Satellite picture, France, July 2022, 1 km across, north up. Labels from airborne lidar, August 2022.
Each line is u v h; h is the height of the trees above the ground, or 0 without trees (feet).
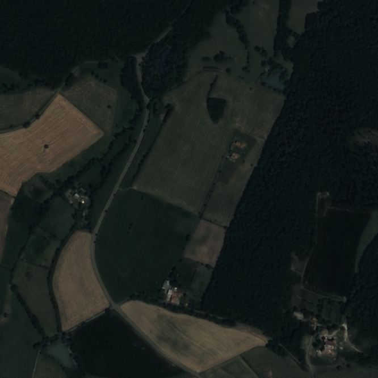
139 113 63
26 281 0
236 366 0
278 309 44
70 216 0
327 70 45
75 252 0
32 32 67
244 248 77
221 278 65
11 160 0
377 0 68
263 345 0
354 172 95
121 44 49
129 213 0
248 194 62
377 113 61
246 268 64
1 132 0
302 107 75
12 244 0
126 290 0
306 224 61
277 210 73
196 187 0
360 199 22
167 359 0
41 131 0
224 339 0
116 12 64
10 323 0
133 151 0
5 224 0
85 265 0
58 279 0
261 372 0
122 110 0
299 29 0
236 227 59
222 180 0
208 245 0
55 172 0
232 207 0
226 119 0
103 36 68
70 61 63
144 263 0
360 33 84
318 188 54
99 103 0
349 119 85
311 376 0
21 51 73
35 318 53
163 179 0
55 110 0
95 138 0
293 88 59
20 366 0
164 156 0
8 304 0
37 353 0
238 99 0
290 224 68
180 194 0
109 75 0
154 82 76
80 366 43
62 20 58
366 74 49
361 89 38
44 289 0
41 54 78
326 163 74
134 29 58
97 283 0
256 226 58
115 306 0
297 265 0
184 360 0
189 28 70
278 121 48
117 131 0
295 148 71
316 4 0
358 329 20
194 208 0
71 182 56
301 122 75
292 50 50
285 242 72
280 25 56
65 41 62
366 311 66
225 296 58
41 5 77
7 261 0
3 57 67
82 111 0
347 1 82
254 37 0
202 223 0
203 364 0
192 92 0
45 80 55
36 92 0
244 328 0
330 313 22
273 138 63
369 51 54
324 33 66
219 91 0
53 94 0
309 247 50
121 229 0
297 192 49
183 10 57
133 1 66
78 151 0
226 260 62
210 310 38
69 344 30
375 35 80
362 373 0
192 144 0
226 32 0
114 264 0
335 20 89
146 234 0
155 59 63
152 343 0
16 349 0
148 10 71
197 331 0
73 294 0
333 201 22
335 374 0
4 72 0
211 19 77
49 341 44
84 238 0
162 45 47
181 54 39
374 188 32
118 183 0
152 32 52
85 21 58
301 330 39
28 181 0
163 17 64
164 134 0
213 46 0
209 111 23
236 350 0
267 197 49
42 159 0
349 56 44
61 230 0
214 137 0
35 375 0
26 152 0
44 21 66
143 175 0
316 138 63
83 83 0
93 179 0
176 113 0
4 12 61
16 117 0
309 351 0
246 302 63
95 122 0
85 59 58
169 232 0
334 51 72
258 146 0
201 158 0
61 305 0
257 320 57
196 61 0
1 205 0
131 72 57
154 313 0
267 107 0
